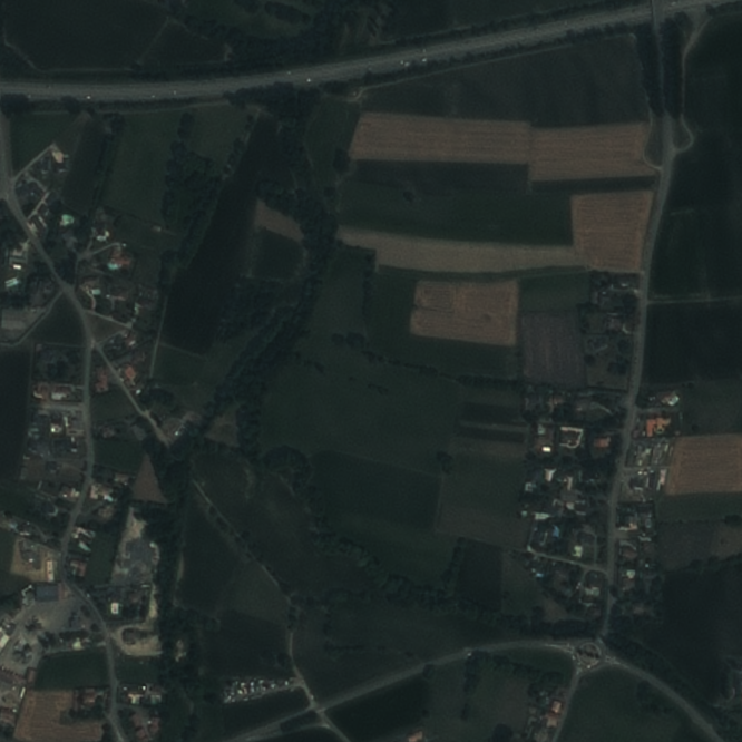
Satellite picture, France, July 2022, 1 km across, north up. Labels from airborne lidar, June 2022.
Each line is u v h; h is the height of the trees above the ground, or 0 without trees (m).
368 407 0
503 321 0
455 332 0
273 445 0
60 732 0
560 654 0
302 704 0
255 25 0
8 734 11
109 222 0
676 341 0
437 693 0
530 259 0
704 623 0
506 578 0
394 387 0
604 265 0
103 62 0
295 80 0
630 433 0
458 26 0
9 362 0
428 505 0
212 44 0
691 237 0
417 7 0
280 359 22
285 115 19
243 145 18
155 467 13
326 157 0
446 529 0
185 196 0
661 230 0
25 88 0
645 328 0
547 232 0
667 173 0
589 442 14
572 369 0
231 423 0
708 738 0
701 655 0
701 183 0
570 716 0
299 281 0
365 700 0
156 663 9
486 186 0
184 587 0
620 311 8
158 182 0
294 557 0
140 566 0
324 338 0
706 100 0
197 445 17
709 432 0
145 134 0
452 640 0
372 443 0
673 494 0
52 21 0
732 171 0
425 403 0
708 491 0
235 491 0
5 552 0
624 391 6
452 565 10
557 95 0
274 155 0
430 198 0
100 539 0
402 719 0
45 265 15
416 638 0
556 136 0
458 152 0
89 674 0
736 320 0
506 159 0
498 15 0
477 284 0
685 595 0
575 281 0
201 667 0
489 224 0
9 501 0
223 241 0
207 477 0
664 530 0
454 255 0
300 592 0
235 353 0
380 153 0
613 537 0
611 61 0
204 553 0
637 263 0
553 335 0
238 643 0
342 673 0
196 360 0
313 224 19
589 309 14
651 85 23
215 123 0
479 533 0
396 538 0
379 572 24
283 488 0
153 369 0
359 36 0
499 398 0
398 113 0
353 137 0
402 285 0
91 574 0
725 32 0
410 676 0
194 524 0
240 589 0
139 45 0
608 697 0
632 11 0
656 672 14
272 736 0
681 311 0
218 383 0
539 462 6
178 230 0
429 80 0
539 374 0
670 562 0
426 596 14
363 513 0
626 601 7
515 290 0
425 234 0
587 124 0
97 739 0
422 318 0
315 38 21
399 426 0
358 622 0
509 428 0
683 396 0
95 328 0
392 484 0
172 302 0
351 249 6
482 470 0
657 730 0
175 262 17
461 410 0
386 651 10
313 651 0
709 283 0
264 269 0
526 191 0
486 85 0
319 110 0
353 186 0
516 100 0
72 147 0
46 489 0
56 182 0
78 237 17
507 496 0
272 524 0
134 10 0
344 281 0
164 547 10
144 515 9
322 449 0
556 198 0
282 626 0
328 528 11
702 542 0
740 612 0
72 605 0
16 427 0
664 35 19
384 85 0
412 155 0
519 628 18
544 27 0
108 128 0
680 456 0
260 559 10
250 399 27
